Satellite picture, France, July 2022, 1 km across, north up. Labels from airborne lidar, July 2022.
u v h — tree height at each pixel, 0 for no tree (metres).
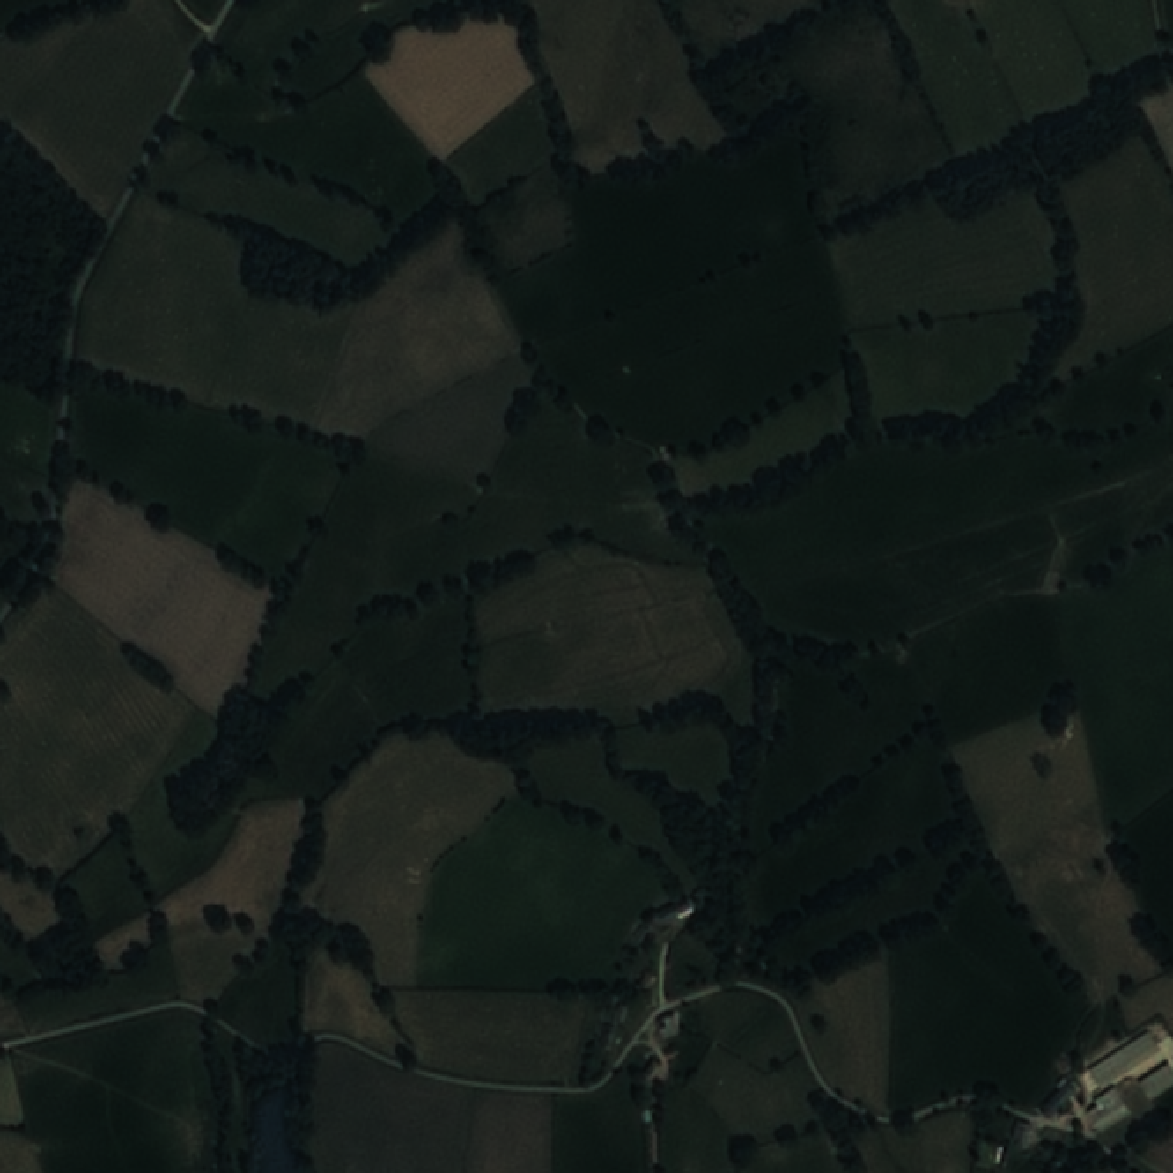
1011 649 0
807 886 0
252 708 31
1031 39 0
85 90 0
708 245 0
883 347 0
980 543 0
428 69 0
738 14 0
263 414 10
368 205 19
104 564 0
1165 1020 0
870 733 0
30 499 0
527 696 0
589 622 0
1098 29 0
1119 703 0
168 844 0
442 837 0
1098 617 0
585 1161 0
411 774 0
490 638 0
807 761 0
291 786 0
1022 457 0
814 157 7
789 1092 0
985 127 0
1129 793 0
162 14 0
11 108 0
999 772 0
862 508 0
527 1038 0
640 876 0
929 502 0
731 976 16
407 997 0
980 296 0
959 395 0
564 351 0
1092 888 0
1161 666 0
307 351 0
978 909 0
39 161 24
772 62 11
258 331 0
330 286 11
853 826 0
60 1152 0
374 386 0
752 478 0
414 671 0
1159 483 0
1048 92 0
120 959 0
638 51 0
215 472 0
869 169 0
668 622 0
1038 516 0
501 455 0
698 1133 0
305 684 16
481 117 0
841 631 0
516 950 0
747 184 0
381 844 0
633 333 0
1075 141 24
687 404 0
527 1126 0
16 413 0
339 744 0
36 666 0
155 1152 0
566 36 0
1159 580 0
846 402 0
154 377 0
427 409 0
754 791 24
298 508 0
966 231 0
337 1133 0
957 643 0
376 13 0
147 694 0
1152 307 0
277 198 0
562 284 0
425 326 0
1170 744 0
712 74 19
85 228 9
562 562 0
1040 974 0
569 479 0
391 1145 0
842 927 0
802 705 0
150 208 0
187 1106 0
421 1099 0
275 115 0
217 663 0
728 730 22
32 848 0
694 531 21
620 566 0
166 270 0
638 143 0
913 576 0
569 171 23
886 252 0
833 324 0
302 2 0
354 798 0
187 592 0
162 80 0
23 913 0
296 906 13
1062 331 24
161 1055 0
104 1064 0
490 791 0
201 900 0
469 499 0
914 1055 0
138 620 0
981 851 15
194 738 0
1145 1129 16
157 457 0
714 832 18
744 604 21
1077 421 0
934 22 0
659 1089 12
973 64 0
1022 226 0
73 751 0
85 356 0
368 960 17
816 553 0
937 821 0
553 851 0
